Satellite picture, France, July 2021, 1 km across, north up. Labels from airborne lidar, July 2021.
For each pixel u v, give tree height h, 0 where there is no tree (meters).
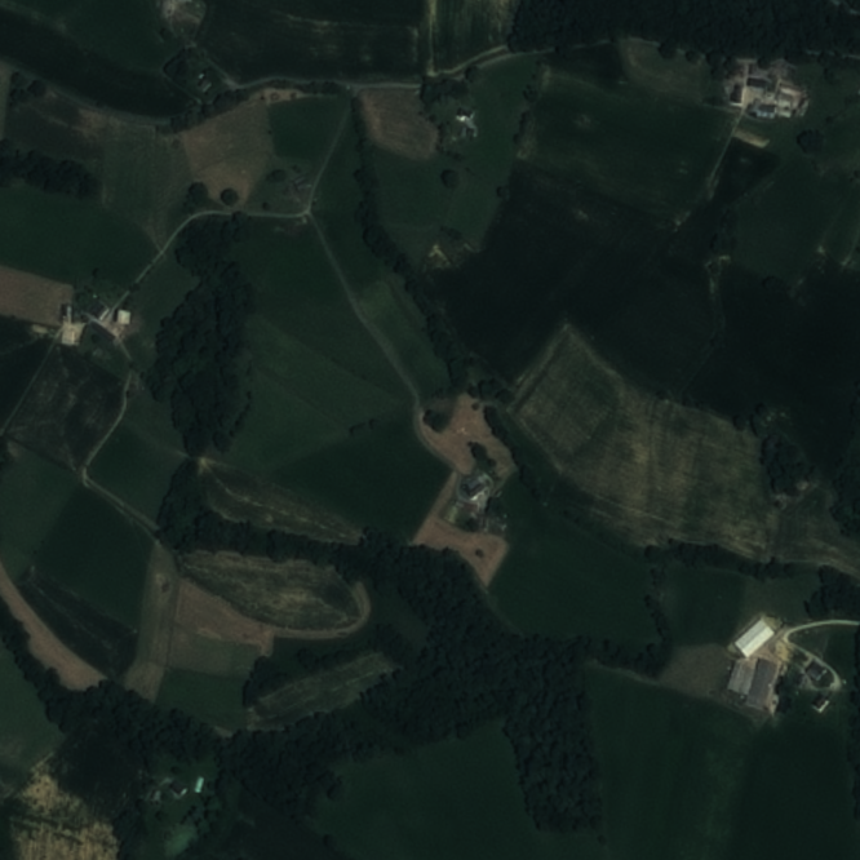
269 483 0
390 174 0
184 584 0
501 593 0
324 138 0
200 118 17
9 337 0
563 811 28
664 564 16
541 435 0
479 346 0
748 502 0
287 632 0
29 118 0
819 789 0
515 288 0
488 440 0
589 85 0
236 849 0
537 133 0
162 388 17
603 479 0
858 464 9
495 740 0
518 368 0
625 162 0
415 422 0
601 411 0
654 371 0
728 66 12
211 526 29
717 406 0
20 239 0
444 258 0
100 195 0
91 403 0
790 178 0
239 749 22
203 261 21
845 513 23
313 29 0
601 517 0
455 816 0
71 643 0
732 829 0
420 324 0
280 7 0
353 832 0
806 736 0
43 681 19
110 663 0
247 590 0
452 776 0
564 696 13
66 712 24
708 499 0
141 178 0
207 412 18
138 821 21
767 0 20
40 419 0
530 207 0
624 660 17
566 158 0
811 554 0
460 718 13
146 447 0
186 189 0
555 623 0
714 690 0
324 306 0
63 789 0
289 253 0
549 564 0
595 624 0
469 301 0
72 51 0
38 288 0
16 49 0
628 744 0
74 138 0
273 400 0
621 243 0
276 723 0
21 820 0
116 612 0
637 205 0
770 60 19
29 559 0
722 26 22
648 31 22
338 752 19
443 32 0
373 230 20
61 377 0
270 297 0
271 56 0
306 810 22
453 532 0
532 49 21
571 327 0
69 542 0
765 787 0
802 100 0
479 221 0
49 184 17
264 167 0
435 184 0
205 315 11
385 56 0
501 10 0
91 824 0
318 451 0
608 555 0
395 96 0
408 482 0
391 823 0
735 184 0
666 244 0
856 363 0
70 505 0
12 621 21
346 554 24
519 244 0
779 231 0
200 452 21
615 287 0
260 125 0
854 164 0
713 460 0
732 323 0
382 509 0
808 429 0
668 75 0
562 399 0
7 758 0
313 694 0
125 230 0
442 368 0
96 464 0
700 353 0
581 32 24
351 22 0
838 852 0
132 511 0
